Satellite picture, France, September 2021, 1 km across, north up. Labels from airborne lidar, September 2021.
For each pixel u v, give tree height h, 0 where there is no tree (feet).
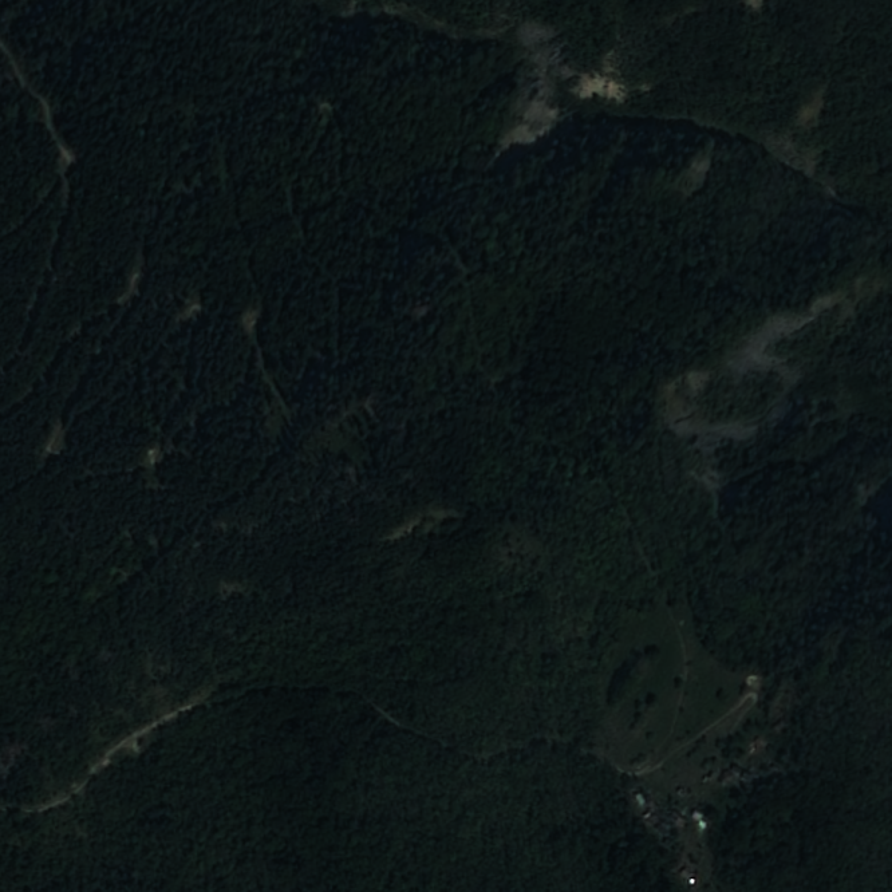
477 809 58
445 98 94
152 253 67
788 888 88
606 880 75
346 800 64
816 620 72
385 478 77
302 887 79
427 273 95
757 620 71
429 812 44
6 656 64
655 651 37
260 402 68
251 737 48
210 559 76
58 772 38
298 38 55
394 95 64
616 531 52
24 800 67
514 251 75
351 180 62
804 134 22
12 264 55
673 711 0
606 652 69
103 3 75
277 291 76
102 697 77
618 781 45
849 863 88
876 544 53
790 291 56
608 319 100
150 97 95
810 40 83
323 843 106
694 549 80
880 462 63
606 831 92
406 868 76
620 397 74
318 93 62
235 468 30
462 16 42
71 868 62
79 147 76
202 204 87
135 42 79
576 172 33
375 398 81
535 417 77
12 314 60
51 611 73
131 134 52
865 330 71
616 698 64
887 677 83
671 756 0
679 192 22
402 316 94
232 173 71
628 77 39
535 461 68
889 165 73
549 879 57
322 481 58
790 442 48
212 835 52
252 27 69
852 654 76
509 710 42
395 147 66
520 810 65
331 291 49
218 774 81
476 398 73
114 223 85
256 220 43
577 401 85
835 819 79
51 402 60
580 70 22
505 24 33
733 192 90
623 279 91
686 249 84
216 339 85
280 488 90
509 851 76
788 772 45
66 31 68
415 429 63
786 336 21
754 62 62
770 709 52
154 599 70
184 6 92
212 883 61
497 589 45
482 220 59
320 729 94
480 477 60
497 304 41
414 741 54
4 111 54
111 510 78
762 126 68
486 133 68
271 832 88
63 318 60
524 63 28
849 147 76
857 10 67
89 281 62
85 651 79
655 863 74
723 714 0
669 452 35
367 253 72
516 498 53
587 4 84
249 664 76
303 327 52
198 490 91
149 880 56
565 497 55
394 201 66
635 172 64
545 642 49
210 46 88
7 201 45
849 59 79
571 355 102
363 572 87
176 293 76
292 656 64
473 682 78
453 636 70
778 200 53
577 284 76
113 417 30
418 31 56
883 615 78
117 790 51
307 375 32
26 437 81
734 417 49
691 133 73
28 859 38
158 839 25
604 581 58
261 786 68
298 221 36
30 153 65
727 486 0
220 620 83
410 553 62
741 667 47
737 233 78
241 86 65
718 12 54
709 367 93
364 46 37
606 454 73
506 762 49
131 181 49
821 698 73
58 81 60
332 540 57
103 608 36
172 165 70
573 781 85
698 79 62
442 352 60
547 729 50
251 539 27
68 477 77
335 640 64
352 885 91
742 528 74
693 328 78
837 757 94
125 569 78
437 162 68
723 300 108
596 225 65
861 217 51
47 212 38
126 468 63
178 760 42
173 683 44
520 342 61
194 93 86
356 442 27
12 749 81
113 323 58
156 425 49
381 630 55
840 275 62
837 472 44
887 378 60
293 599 70
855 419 26
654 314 96
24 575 76
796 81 41
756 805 59
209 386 53
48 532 96
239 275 62
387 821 73
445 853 71
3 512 70
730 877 58
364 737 79
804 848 73
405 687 50
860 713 77
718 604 75
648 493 55
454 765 72
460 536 53
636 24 28
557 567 41
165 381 77
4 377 37
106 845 55
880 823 83
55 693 71
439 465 64
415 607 47
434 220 123
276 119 87
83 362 64
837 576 83
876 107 93
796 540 70
